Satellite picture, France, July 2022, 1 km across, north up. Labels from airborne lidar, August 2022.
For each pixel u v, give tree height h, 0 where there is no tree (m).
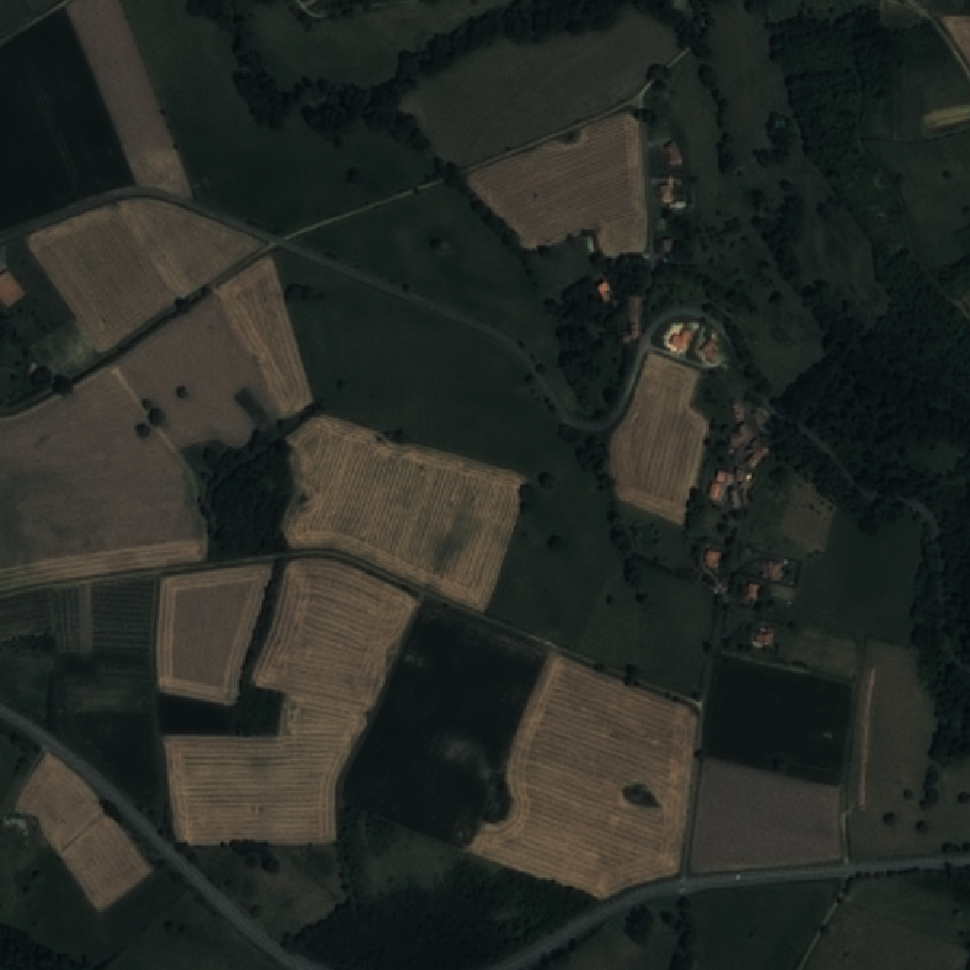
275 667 0
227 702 0
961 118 0
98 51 0
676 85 0
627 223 0
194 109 0
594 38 0
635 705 0
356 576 0
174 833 9
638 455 0
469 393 0
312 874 0
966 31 0
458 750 0
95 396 0
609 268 9
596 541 0
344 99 20
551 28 16
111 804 10
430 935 11
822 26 9
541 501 0
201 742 0
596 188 0
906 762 0
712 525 0
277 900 0
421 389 0
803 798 0
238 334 0
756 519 0
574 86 0
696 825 0
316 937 10
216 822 0
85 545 0
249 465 7
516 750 0
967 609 29
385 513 0
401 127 24
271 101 28
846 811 0
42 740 0
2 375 0
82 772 0
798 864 0
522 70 0
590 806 0
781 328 0
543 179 0
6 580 0
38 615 0
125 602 0
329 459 0
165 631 0
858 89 9
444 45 17
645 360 0
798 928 0
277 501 7
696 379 0
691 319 0
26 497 0
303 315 0
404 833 0
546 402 8
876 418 17
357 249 0
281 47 0
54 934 0
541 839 0
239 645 0
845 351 25
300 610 0
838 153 6
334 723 0
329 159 0
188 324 0
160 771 0
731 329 15
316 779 0
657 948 0
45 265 0
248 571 0
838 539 0
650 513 0
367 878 0
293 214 0
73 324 0
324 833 0
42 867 0
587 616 0
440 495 0
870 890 0
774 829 0
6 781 0
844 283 0
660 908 0
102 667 0
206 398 0
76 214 0
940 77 0
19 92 0
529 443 0
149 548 0
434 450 0
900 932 0
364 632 0
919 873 10
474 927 13
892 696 0
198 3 11
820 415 14
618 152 0
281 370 0
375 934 8
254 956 0
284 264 0
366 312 0
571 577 0
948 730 19
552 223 0
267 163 0
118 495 0
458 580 0
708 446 9
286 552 7
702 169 0
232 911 0
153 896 0
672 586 0
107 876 0
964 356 9
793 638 0
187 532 0
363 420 0
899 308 9
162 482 0
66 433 0
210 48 0
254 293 0
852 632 0
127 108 0
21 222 0
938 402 27
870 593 0
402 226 0
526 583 0
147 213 0
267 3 17
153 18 0
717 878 0
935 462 0
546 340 0
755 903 0
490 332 0
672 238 0
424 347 0
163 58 0
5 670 0
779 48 10
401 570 0
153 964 0
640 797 0
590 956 0
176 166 0
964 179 0
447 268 0
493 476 0
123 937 0
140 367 0
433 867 0
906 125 0
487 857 0
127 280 0
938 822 0
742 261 0
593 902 13
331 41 0
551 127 0
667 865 0
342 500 0
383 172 0
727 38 0
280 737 0
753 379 17
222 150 0
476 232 0
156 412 8
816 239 0
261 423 0
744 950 0
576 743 0
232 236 0
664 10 24
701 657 0
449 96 0
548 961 19
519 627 0
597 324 8
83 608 0
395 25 0
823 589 0
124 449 0
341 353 0
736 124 0
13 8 0
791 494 0
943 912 0
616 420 0
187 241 0
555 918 12
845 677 0
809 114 14
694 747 0
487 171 0
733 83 0
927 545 12
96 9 0
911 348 10
